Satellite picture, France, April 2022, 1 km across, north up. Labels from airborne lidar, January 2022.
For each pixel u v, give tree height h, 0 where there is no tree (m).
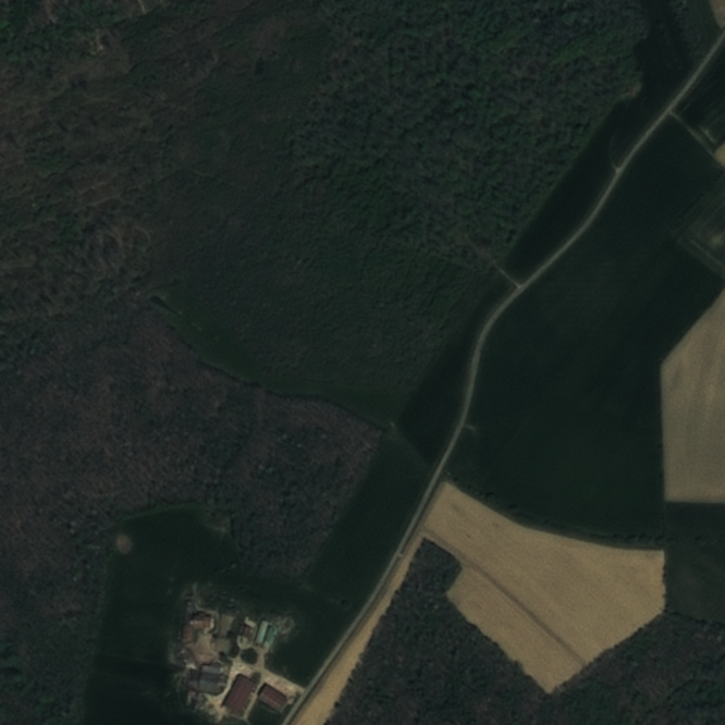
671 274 0
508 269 0
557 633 0
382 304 10
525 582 0
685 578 0
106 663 0
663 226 0
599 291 0
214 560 0
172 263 9
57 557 21
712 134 0
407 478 0
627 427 0
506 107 26
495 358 0
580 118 22
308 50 9
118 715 0
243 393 15
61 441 19
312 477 16
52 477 21
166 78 7
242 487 16
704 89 0
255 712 0
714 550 0
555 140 23
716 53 0
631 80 21
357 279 8
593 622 0
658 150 0
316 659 0
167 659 0
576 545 0
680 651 15
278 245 13
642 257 0
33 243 7
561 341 0
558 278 0
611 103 22
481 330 0
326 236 10
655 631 14
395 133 27
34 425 21
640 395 0
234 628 0
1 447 22
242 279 8
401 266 8
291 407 17
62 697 17
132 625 0
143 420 19
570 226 0
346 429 20
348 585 0
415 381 7
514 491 0
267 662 0
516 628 0
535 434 0
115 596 0
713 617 0
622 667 17
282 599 0
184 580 0
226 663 10
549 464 0
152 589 0
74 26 23
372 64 26
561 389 0
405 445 0
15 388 20
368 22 15
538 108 27
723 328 0
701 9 0
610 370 0
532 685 16
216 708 0
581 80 23
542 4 21
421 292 8
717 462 0
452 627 14
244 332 14
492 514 0
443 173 22
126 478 22
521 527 0
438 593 17
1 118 7
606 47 23
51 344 17
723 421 0
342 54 21
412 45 23
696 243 0
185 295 0
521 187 27
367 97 27
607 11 25
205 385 22
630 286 0
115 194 0
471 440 0
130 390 17
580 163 0
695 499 0
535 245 0
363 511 0
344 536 0
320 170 11
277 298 9
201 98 6
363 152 23
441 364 0
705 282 0
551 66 10
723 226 0
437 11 13
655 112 0
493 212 24
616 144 0
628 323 0
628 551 0
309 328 9
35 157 8
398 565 0
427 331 11
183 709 0
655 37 0
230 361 0
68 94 6
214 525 0
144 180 27
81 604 19
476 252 0
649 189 0
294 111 11
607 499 0
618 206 0
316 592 0
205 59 7
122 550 0
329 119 23
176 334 16
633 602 0
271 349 11
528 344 0
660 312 0
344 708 14
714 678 28
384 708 17
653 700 16
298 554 16
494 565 0
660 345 0
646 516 0
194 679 0
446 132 26
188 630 0
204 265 10
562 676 0
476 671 14
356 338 9
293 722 0
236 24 8
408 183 26
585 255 0
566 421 0
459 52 24
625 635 0
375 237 8
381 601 0
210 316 0
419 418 0
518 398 0
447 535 0
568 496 0
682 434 0
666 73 0
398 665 15
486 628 0
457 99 28
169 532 0
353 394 0
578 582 0
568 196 0
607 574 0
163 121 6
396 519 0
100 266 29
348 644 0
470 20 26
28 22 21
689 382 0
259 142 10
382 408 0
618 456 0
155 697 0
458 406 0
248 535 17
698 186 0
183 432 20
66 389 19
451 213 23
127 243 13
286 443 13
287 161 8
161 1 18
